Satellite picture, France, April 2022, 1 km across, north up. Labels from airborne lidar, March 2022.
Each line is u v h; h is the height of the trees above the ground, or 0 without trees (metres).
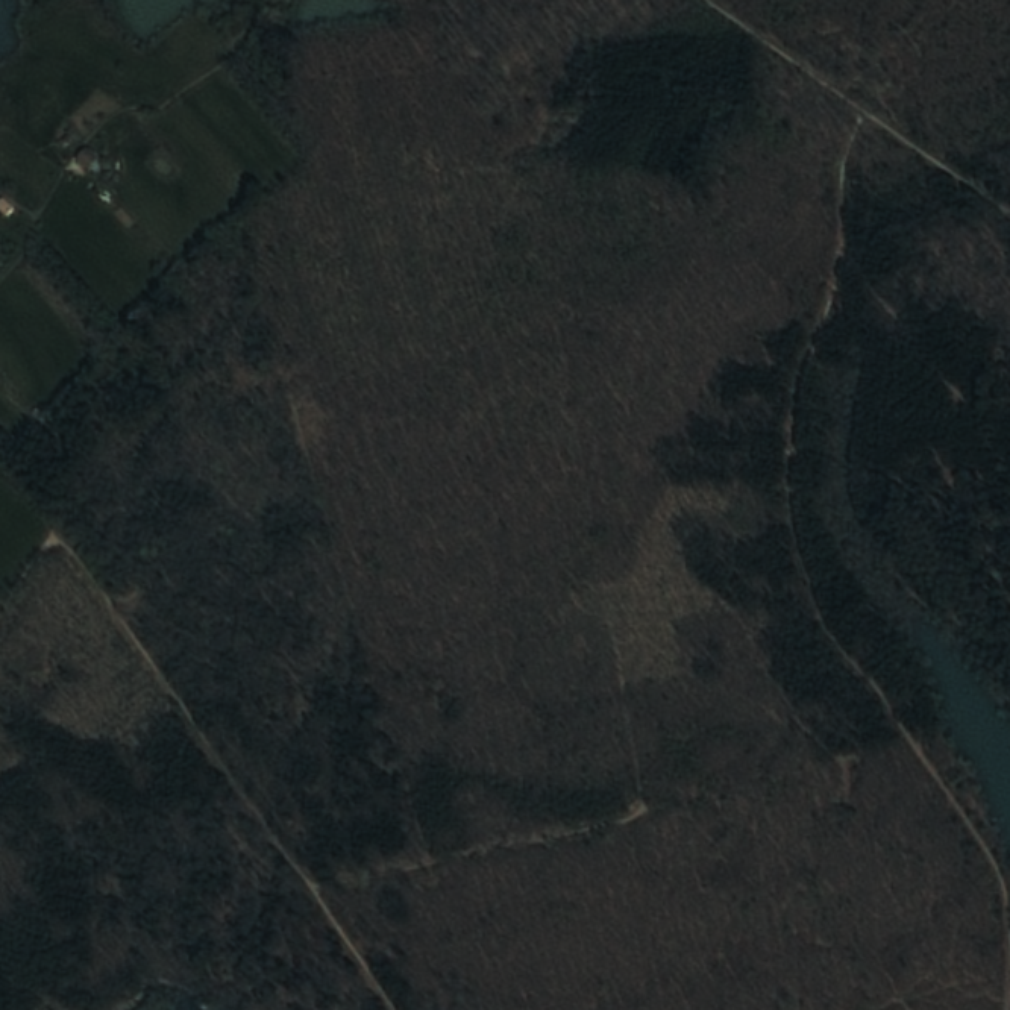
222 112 0
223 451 29
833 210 14
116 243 0
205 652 26
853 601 25
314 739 24
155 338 26
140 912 28
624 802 12
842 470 19
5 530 0
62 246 0
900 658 21
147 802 22
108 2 16
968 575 31
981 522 33
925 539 32
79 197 0
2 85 0
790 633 22
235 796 14
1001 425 16
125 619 17
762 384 22
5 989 22
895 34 8
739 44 14
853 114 20
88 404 28
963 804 10
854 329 22
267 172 0
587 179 18
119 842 18
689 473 22
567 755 15
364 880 25
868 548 17
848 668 16
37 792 19
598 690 14
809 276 9
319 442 0
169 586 28
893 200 8
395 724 16
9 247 8
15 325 0
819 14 10
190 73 0
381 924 15
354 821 22
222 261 22
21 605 23
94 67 0
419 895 26
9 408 0
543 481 0
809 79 26
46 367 0
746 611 18
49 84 0
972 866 9
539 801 10
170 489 24
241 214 21
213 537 28
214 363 26
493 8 30
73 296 9
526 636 12
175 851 33
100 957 17
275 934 15
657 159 22
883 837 16
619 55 20
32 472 32
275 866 30
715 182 15
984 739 0
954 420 16
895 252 28
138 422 28
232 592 26
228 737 20
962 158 8
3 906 17
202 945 29
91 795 25
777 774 13
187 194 0
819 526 22
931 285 25
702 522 17
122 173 0
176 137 0
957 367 15
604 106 20
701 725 10
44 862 18
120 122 0
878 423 16
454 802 13
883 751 17
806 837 13
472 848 11
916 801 17
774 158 11
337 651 27
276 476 30
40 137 0
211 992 21
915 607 6
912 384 17
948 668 0
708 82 19
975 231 25
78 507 21
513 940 12
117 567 12
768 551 25
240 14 15
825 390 17
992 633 31
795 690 24
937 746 13
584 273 16
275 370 28
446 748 9
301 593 26
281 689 23
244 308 26
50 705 20
